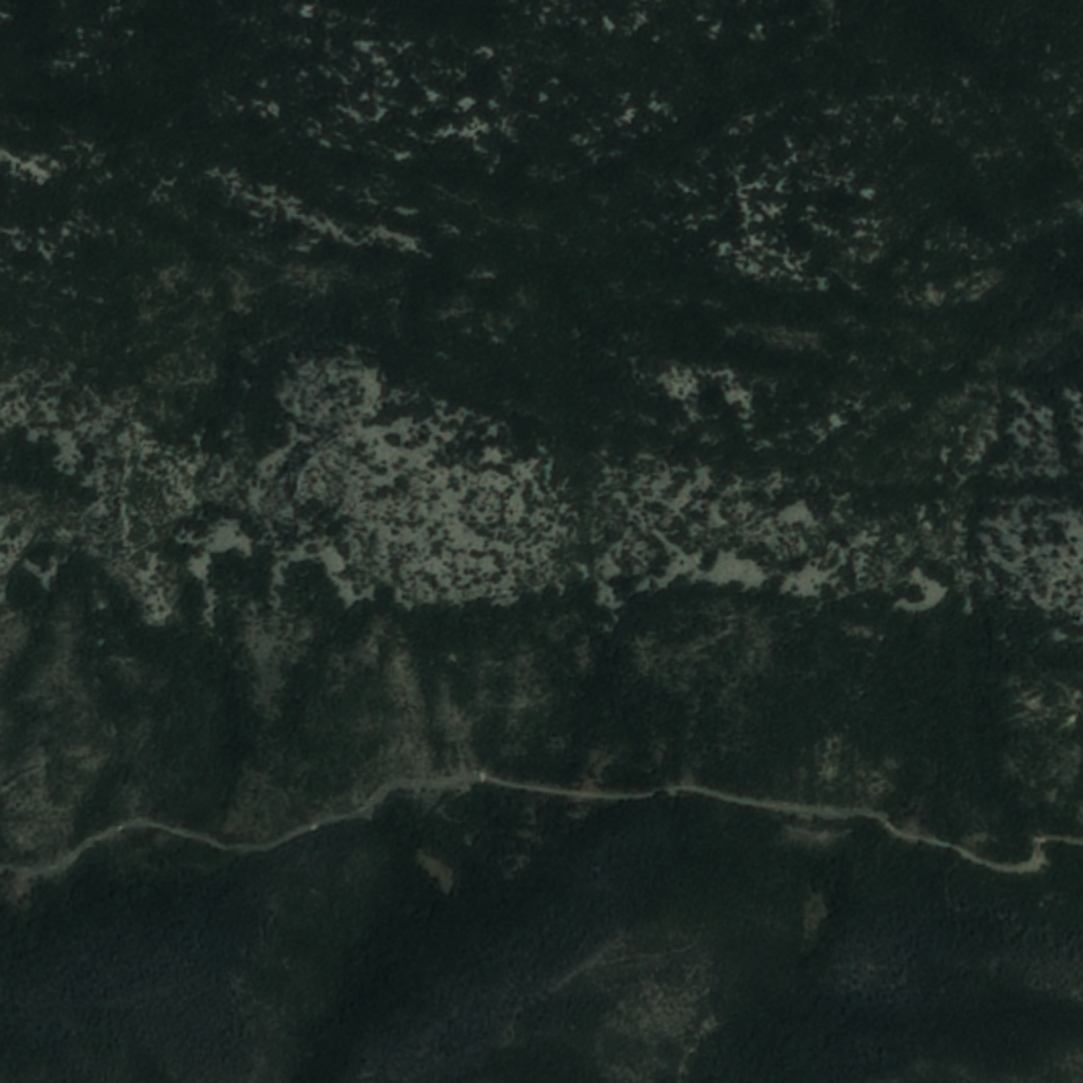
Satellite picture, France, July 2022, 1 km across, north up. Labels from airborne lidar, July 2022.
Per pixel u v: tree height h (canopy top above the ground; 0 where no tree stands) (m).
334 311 6
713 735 7
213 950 8
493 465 6
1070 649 8
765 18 6
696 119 5
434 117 6
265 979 9
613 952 0
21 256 6
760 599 6
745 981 6
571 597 10
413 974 9
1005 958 8
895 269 7
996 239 7
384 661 6
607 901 6
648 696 7
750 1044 7
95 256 7
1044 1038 7
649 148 7
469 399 6
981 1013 5
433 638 6
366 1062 8
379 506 0
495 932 9
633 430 6
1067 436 6
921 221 6
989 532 6
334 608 10
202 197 6
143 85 8
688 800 7
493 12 6
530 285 5
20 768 0
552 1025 7
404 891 9
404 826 7
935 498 7
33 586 11
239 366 10
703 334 6
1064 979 8
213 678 10
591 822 7
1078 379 6
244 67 6
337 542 7
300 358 6
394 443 10
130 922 5
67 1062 9
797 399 6
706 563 6
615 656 8
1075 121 6
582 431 8
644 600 9
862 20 5
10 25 7
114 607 8
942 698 7
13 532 8
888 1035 7
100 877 6
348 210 5
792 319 6
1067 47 5
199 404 7
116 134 6
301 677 7
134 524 8
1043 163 9
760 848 6
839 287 7
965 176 6
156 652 6
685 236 5
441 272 5
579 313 7
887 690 10
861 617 9
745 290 6
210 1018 9
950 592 7
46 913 8
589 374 6
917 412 6
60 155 6
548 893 7
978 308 9
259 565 7
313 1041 8
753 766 5
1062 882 7
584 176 6
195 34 6
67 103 7
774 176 5
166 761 6
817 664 6
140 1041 6
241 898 6
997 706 7
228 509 8
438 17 6
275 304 6
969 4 6
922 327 6
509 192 6
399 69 5
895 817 6
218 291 6
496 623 6
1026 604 7
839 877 6
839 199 7
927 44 6
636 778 7
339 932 6
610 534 6
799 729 5
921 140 6
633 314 6
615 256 6
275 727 6
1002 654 7
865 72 5
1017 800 7
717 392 6
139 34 7
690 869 6
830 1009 6
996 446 6
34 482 7
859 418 7
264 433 8
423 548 0
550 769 7
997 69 6
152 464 6
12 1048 6
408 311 5
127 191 6
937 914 9
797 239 6
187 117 7
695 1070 7
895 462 6
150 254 6
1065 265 9
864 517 6
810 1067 7
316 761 6
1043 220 8
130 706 6
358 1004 9
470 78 6
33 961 6
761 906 7
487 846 8
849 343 6
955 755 7
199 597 6
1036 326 7
